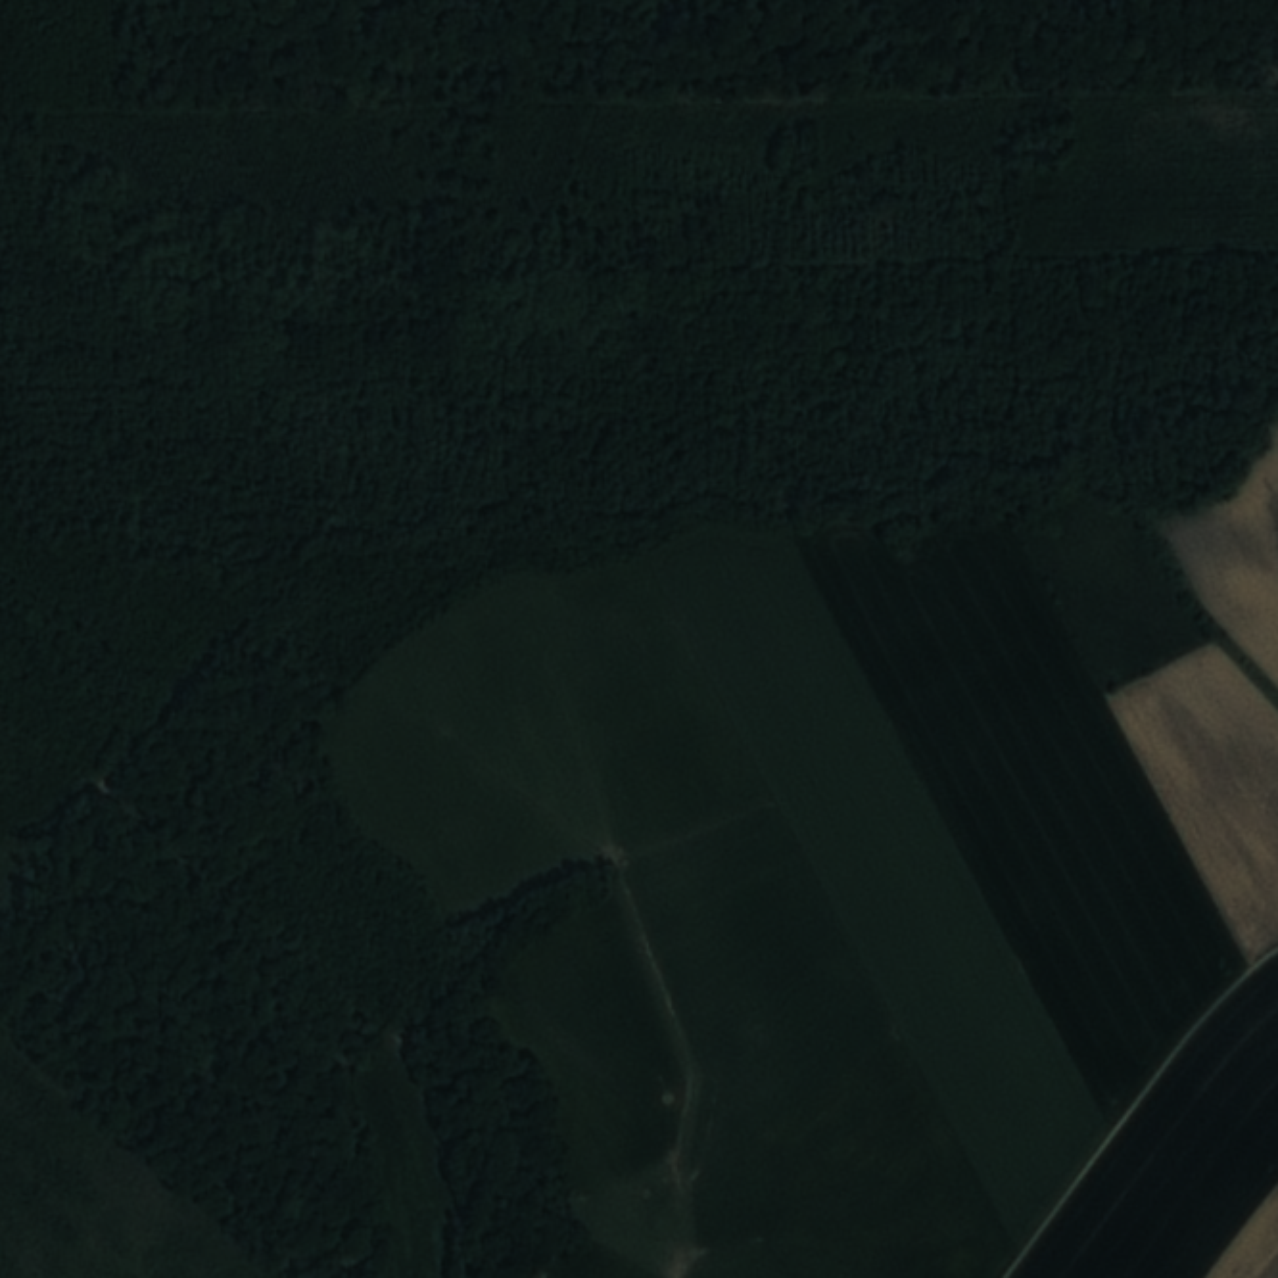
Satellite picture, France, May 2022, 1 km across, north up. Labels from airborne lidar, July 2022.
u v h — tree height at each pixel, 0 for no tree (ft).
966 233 31
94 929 77
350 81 78
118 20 84
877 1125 0
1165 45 79
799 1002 0
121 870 94
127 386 59
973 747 0
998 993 0
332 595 48
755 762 0
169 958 93
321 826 63
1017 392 56
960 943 0
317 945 70
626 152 19
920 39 101
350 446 75
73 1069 30
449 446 75
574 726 0
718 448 68
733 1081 0
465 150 41
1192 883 0
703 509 60
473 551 64
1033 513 61
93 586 30
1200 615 32
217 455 58
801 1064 0
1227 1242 0
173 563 73
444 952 85
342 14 94
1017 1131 0
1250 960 0
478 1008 63
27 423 57
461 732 0
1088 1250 0
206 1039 95
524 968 0
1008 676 0
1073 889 0
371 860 58
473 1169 84
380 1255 88
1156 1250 0
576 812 0
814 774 0
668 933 0
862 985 0
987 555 0
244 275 34
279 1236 82
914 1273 0
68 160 39
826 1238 0
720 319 39
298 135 21
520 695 0
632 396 46
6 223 38
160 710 39
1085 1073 0
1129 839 0
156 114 85
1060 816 0
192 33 78
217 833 65
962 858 0
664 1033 0
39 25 34
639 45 88
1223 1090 0
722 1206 0
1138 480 87
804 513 90
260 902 63
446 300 51
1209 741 0
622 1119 0
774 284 59
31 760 30
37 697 57
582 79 62
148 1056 97
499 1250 94
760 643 0
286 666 79
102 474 62
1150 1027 0
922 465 77
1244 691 0
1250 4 102
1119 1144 0
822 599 0
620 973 0
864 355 58
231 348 67
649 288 52
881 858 0
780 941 0
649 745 0
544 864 0
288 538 44
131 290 63
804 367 48
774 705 0
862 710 0
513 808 0
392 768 0
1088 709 0
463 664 0
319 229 81
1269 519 0
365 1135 83
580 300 66
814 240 33
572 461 53
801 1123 0
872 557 0
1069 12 66
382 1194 54
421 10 51
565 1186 61
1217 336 66
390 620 44
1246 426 83
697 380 67
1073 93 75
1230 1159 0
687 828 0
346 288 52
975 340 63
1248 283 48
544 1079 72
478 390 55
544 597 0
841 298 47
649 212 32
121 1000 93
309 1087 91
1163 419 76
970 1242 0
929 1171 0
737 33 107
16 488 58
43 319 62
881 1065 0
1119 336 58
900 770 0
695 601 0
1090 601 0
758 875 0
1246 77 94
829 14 102
